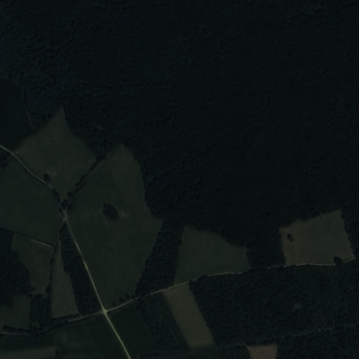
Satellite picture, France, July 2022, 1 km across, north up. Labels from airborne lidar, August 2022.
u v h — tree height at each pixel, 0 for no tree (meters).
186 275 0
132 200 0
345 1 22
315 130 20
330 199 24
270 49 19
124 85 31
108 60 24
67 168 0
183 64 19
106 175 0
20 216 0
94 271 0
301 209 15
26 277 16
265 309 13
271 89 20
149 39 17
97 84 26
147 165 18
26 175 0
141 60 19
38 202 0
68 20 17
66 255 11
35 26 20
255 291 13
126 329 0
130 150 13
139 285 16
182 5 21
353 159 22
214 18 20
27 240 0
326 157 22
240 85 19
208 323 11
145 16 22
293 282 12
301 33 18
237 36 23
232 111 20
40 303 11
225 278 10
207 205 22
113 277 0
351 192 22
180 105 21
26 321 0
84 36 20
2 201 0
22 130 7
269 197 25
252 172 19
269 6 15
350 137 24
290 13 6
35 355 0
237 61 22
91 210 0
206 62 20
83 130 20
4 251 15
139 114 20
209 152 25
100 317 0
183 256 0
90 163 0
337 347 14
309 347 13
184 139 15
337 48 22
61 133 0
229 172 23
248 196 20
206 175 22
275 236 16
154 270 6
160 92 23
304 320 17
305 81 22
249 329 17
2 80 7
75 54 24
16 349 0
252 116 21
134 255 0
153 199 20
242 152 20
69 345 0
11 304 18
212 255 0
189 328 0
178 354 0
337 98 11
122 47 20
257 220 24
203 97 25
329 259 0
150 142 18
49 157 0
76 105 24
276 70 19
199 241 0
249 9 11
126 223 0
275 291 9
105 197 0
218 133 22
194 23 18
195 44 21
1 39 25
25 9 20
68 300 0
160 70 15
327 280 9
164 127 19
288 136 23
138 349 0
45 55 13
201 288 14
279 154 21
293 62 18
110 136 19
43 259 0
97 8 18
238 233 21
